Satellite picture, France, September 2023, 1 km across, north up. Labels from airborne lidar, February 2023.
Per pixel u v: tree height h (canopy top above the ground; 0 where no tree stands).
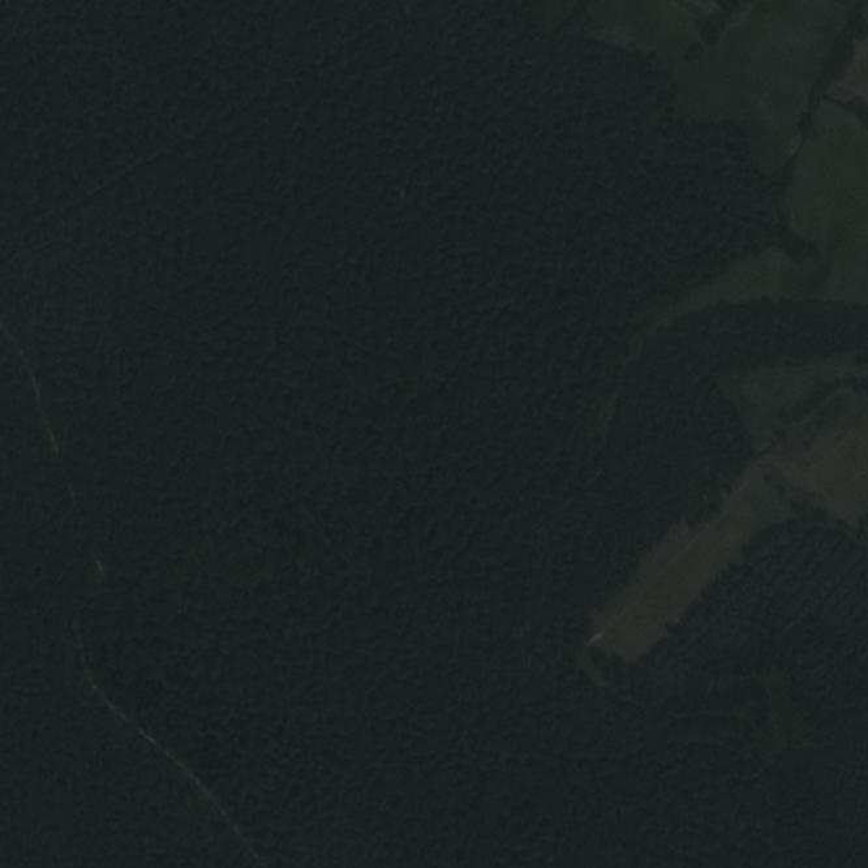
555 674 14
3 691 24
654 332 0
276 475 22
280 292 22
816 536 13
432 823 18
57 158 23
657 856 16
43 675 26
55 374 18
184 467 21
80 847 8
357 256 13
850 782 11
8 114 24
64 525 18
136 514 19
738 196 16
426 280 20
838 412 0
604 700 19
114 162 23
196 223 25
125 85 25
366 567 17
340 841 18
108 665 6
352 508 22
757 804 15
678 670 13
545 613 21
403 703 20
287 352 24
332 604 23
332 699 20
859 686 14
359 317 22
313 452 24
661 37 0
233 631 23
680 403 21
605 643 0
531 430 19
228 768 8
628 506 21
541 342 14
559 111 19
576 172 20
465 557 19
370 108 23
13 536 23
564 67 17
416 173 23
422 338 22
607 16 0
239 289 23
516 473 19
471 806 22
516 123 19
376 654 16
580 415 25
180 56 25
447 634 21
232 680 25
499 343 26
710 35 21
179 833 27
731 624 14
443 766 23
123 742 25
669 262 15
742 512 0
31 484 22
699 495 15
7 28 20
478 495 24
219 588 24
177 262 20
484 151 21
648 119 18
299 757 20
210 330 23
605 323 16
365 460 20
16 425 23
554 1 0
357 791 21
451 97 22
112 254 23
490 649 21
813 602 7
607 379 19
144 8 23
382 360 22
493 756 23
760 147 0
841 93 0
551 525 21
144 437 20
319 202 20
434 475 25
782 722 0
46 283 19
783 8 0
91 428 20
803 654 8
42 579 19
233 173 22
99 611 23
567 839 14
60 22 18
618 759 22
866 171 0
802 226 0
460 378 20
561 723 23
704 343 18
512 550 24
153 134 26
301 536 24
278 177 21
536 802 22
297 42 24
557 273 17
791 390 0
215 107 20
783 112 0
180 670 6
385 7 18
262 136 22
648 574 0
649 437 22
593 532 26
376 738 19
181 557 23
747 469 0
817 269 0
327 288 19
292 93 22
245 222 22
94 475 19
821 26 0
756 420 0
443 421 19
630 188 17
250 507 22
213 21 21
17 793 29
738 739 18
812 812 28
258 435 23
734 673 16
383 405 24
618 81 17
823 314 18
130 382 23
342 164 22
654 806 22
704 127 7
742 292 0
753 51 0
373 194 20
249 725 8
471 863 23
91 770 23
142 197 24
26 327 21
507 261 18
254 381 23
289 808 14
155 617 27
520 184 23
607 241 15
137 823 28
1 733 25
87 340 15
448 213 19
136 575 21
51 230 21
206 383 23
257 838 19
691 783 21
